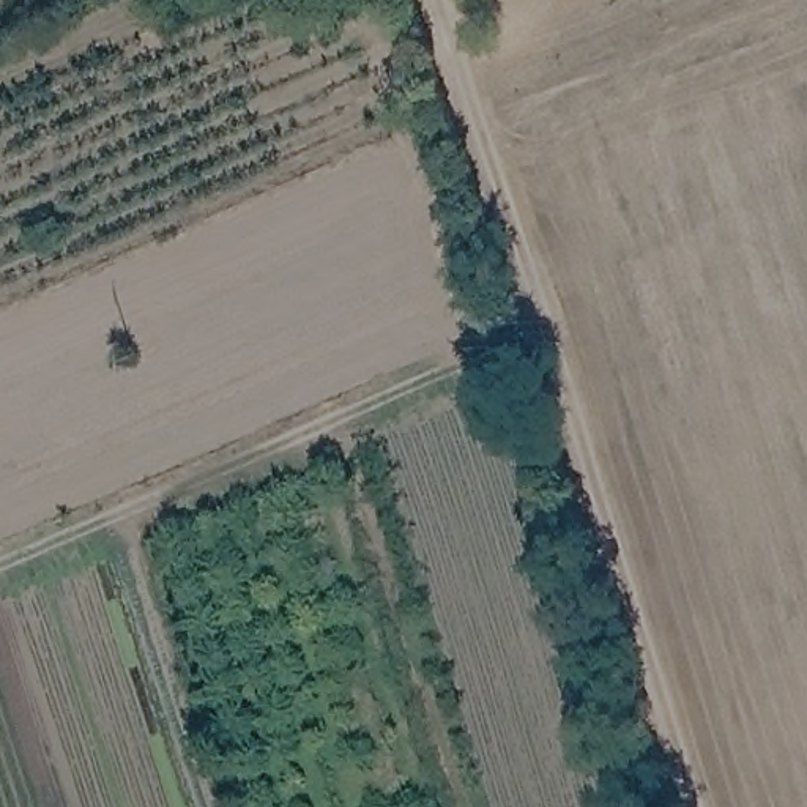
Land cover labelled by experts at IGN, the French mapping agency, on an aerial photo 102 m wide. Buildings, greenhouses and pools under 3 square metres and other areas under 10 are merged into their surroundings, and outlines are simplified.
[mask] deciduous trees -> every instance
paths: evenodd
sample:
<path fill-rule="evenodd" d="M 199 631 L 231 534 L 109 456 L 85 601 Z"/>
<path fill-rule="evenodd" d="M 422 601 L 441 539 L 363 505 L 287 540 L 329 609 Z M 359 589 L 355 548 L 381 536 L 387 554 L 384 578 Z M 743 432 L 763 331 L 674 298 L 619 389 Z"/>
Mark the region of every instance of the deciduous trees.
<path fill-rule="evenodd" d="M 252 180 L 277 164 L 277 151 L 268 151 L 252 164 L 243 164 L 211 180 L 205 180 L 202 170 L 227 158 L 240 158 L 265 142 L 277 142 L 281 126 L 271 126 L 202 161 L 180 164 L 158 180 L 129 186 L 120 195 L 98 202 L 82 214 L 69 214 L 66 224 L 41 221 L 35 227 L 22 227 L 16 243 L 6 243 L 6 252 L 35 252 L 35 265 L 44 268 L 41 258 L 73 258 L 167 211 L 189 208 L 195 199 Z M 173 199 L 142 208 L 113 224 L 104 224 L 95 233 L 85 233 L 63 246 L 63 233 L 69 230 L 69 224 L 85 224 L 95 214 L 107 214 L 117 205 L 145 199 L 148 192 L 161 192 L 167 186 L 177 186 Z"/>
<path fill-rule="evenodd" d="M 246 98 L 243 88 L 233 88 L 208 101 L 205 107 L 170 117 L 151 129 L 132 132 L 132 145 L 161 139 L 189 123 L 202 123 L 224 107 L 236 107 L 236 101 Z"/>
<path fill-rule="evenodd" d="M 117 366 L 136 366 L 139 347 L 132 334 L 110 331 L 110 356 L 117 359 Z"/>
<path fill-rule="evenodd" d="M 359 9 L 366 9 L 378 25 L 388 25 L 394 32 L 391 50 L 385 57 L 385 95 L 369 107 L 375 113 L 372 123 L 381 126 L 388 139 L 394 139 L 397 132 L 410 132 L 419 151 L 419 167 L 435 192 L 429 211 L 441 230 L 444 284 L 451 290 L 451 303 L 454 309 L 460 309 L 460 322 L 479 331 L 479 347 L 485 350 L 473 359 L 470 369 L 460 369 L 460 378 L 457 407 L 467 419 L 467 432 L 476 441 L 482 441 L 489 454 L 511 457 L 517 467 L 514 517 L 523 526 L 523 552 L 517 558 L 517 571 L 526 574 L 530 589 L 539 599 L 533 621 L 555 646 L 552 668 L 561 687 L 564 763 L 574 772 L 589 769 L 599 775 L 596 788 L 580 791 L 583 807 L 697 807 L 694 801 L 678 794 L 678 772 L 684 769 L 681 753 L 662 744 L 659 731 L 649 722 L 643 659 L 634 634 L 637 618 L 630 608 L 630 596 L 621 589 L 618 574 L 612 571 L 615 564 L 599 549 L 593 530 L 599 523 L 589 511 L 583 479 L 571 467 L 571 454 L 564 448 L 561 381 L 558 337 L 539 347 L 526 331 L 520 331 L 520 322 L 514 318 L 514 227 L 501 218 L 498 199 L 485 199 L 479 189 L 479 170 L 467 148 L 467 123 L 451 107 L 444 76 L 435 63 L 432 25 L 422 13 L 426 0 L 142 0 L 136 6 L 145 16 L 139 22 L 142 35 L 154 28 L 164 38 L 192 22 L 214 19 L 224 9 L 233 28 L 243 28 L 246 22 L 258 19 L 268 22 L 262 35 L 252 32 L 246 38 L 230 41 L 227 54 L 252 50 L 258 41 L 290 38 L 293 57 L 309 54 L 309 32 L 318 32 L 318 44 L 325 47 L 340 35 L 347 19 L 356 19 Z"/>
<path fill-rule="evenodd" d="M 353 659 L 356 646 L 366 643 L 366 634 L 378 627 L 375 605 L 366 586 L 378 580 L 378 561 L 369 552 L 363 520 L 356 517 L 350 489 L 353 473 L 366 476 L 366 498 L 375 508 L 385 545 L 394 561 L 394 574 L 400 583 L 397 605 L 410 615 L 410 608 L 429 602 L 429 567 L 413 558 L 407 533 L 413 530 L 413 523 L 404 520 L 397 511 L 397 460 L 388 457 L 385 438 L 366 438 L 356 444 L 350 454 L 344 454 L 334 438 L 318 438 L 309 448 L 290 451 L 277 467 L 271 467 L 255 482 L 233 482 L 224 495 L 218 495 L 224 508 L 205 511 L 192 520 L 167 520 L 154 536 L 142 536 L 142 542 L 142 552 L 148 555 L 148 586 L 173 640 L 177 678 L 186 687 L 186 753 L 199 760 L 195 775 L 205 775 L 211 782 L 214 807 L 312 807 L 309 794 L 281 798 L 277 785 L 284 785 L 290 775 L 306 772 L 299 763 L 303 734 L 322 728 L 322 719 L 315 716 L 325 706 L 356 706 L 350 697 L 353 671 L 347 662 Z M 353 561 L 359 564 L 356 580 L 347 574 L 334 577 L 331 583 L 318 580 L 318 564 L 337 558 L 340 549 L 315 545 L 312 530 L 303 526 L 306 511 L 315 508 L 344 508 L 353 539 Z"/>
<path fill-rule="evenodd" d="M 6 154 L 28 148 L 41 136 L 54 136 L 57 129 L 82 123 L 110 104 L 164 88 L 173 79 L 205 69 L 205 57 L 199 57 L 164 69 L 161 76 L 107 91 L 76 110 L 60 113 L 50 123 L 35 123 L 32 129 L 6 142 Z"/>
<path fill-rule="evenodd" d="M 340 731 L 340 738 L 350 744 L 350 753 L 378 753 L 375 738 L 366 728 L 356 728 Z"/>
<path fill-rule="evenodd" d="M 177 44 L 136 54 L 129 63 L 120 66 L 120 76 L 195 47 L 192 38 L 183 38 Z"/>
<path fill-rule="evenodd" d="M 240 126 L 255 123 L 258 113 L 252 110 L 132 161 L 129 173 L 158 167 L 170 154 L 199 148 L 211 139 L 236 132 Z"/>
<path fill-rule="evenodd" d="M 47 170 L 35 177 L 28 186 L 0 195 L 0 208 L 28 199 L 85 167 L 95 167 L 95 158 L 88 154 L 66 167 Z"/>
<path fill-rule="evenodd" d="M 57 104 L 57 95 L 50 88 L 54 79 L 73 76 L 76 69 L 107 66 L 120 54 L 120 47 L 91 44 L 88 50 L 69 57 L 63 66 L 35 66 L 25 79 L 0 85 L 0 132 L 25 120 L 28 113 L 41 113 Z"/>
<path fill-rule="evenodd" d="M 504 0 L 457 0 L 463 9 L 457 22 L 457 44 L 470 54 L 495 47 L 498 6 Z"/>
<path fill-rule="evenodd" d="M 79 19 L 98 0 L 47 0 L 35 16 L 19 19 L 9 28 L 0 28 L 0 66 L 19 60 L 28 50 L 50 50 L 66 32 L 79 25 Z"/>
<path fill-rule="evenodd" d="M 441 791 L 438 785 L 404 782 L 394 791 L 366 785 L 356 807 L 454 807 L 451 788 Z"/>

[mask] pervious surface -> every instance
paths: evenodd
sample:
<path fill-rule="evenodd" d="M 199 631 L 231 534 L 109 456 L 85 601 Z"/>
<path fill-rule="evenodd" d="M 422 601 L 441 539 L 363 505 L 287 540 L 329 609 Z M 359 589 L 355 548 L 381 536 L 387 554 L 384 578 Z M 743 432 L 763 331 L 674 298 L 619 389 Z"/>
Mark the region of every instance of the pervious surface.
<path fill-rule="evenodd" d="M 161 511 L 164 498 L 195 473 L 236 463 L 240 457 L 258 451 L 268 451 L 277 460 L 277 467 L 290 451 L 309 448 L 318 438 L 334 438 L 344 454 L 350 454 L 356 444 L 356 419 L 375 413 L 378 407 L 397 397 L 413 394 L 416 388 L 429 388 L 432 381 L 460 378 L 460 369 L 470 369 L 473 359 L 485 350 L 479 347 L 479 331 L 460 322 L 460 309 L 454 309 L 451 303 L 438 312 L 432 325 L 422 328 L 422 337 L 429 340 L 422 347 L 426 359 L 397 366 L 391 372 L 378 372 L 369 381 L 359 381 L 347 391 L 334 391 L 322 400 L 312 400 L 309 407 L 277 416 L 249 435 L 221 441 L 218 448 L 183 457 L 167 470 L 123 482 L 95 501 L 73 508 L 60 504 L 50 517 L 28 526 L 28 536 L 16 536 L 6 545 L 0 542 L 0 577 L 69 542 L 88 539 L 101 530 L 113 530 L 126 549 L 142 542 L 142 536 L 145 523 Z"/>
<path fill-rule="evenodd" d="M 580 375 L 567 372 L 561 381 L 564 448 L 571 454 L 571 467 L 583 479 L 589 511 L 599 523 L 593 530 L 599 549 L 615 564 L 612 571 L 618 574 L 621 589 L 630 596 L 630 608 L 637 618 L 634 634 L 643 659 L 649 722 L 659 731 L 662 744 L 681 753 L 684 769 L 678 772 L 678 794 L 694 801 L 697 807 L 722 807 L 728 804 L 728 791 L 722 785 L 722 775 L 709 782 L 706 775 L 687 719 L 687 706 L 675 681 L 675 662 L 665 643 L 659 605 L 653 602 L 653 593 L 643 596 L 637 577 L 637 533 L 630 520 L 621 517 L 608 479 L 602 473 L 602 460 L 596 454 L 596 438 L 580 394 Z"/>
<path fill-rule="evenodd" d="M 444 76 L 451 107 L 467 123 L 467 148 L 479 170 L 479 189 L 485 199 L 498 199 L 501 218 L 514 227 L 514 318 L 520 322 L 520 331 L 526 331 L 539 347 L 558 337 L 552 322 L 564 315 L 564 309 L 555 296 L 549 265 L 533 246 L 536 221 L 530 224 L 523 218 L 514 186 L 508 180 L 508 164 L 498 151 L 501 123 L 492 104 L 476 88 L 470 54 L 457 44 L 457 22 L 463 9 L 457 0 L 426 0 L 422 13 L 432 25 L 435 63 Z"/>

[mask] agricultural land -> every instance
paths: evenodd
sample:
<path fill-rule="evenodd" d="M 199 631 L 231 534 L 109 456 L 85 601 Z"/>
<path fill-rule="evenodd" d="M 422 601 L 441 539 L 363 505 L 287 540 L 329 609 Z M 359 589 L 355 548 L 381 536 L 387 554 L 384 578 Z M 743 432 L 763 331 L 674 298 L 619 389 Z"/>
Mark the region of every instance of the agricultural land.
<path fill-rule="evenodd" d="M 177 678 L 173 684 L 167 684 L 164 678 L 161 656 L 136 589 L 126 549 L 113 530 L 101 530 L 88 539 L 69 542 L 0 577 L 0 807 L 214 807 L 211 782 L 205 775 L 195 775 L 199 760 L 186 753 L 186 687 Z"/>
<path fill-rule="evenodd" d="M 322 400 L 334 391 L 347 391 L 359 381 L 369 381 L 378 372 L 391 372 L 397 366 L 426 359 L 422 347 L 429 340 L 422 337 L 422 328 L 432 325 L 438 312 L 451 303 L 451 290 L 444 284 L 441 230 L 429 211 L 435 192 L 419 167 L 419 151 L 410 132 L 397 132 L 394 139 L 388 139 L 381 145 L 369 145 L 340 158 L 334 167 L 315 170 L 290 186 L 281 186 L 208 221 L 199 221 L 167 243 L 142 246 L 95 274 L 82 274 L 69 284 L 54 284 L 38 296 L 13 303 L 0 312 L 0 542 L 6 545 L 16 536 L 28 536 L 28 526 L 50 517 L 60 504 L 73 508 L 95 501 L 123 482 L 167 470 L 183 457 L 218 448 L 221 441 L 249 435 L 277 416 L 309 407 L 312 400 Z M 136 366 L 117 366 L 117 359 L 110 356 L 110 331 L 132 334 L 139 347 Z"/>
<path fill-rule="evenodd" d="M 722 775 L 722 785 L 728 791 L 728 804 L 722 807 L 807 807 L 807 0 L 504 0 L 498 6 L 495 47 L 470 54 L 476 88 L 492 104 L 501 123 L 498 151 L 508 164 L 508 180 L 514 186 L 523 218 L 530 224 L 536 221 L 533 246 L 549 265 L 555 296 L 564 309 L 564 315 L 552 322 L 558 337 L 561 381 L 567 372 L 580 375 L 580 394 L 596 438 L 596 454 L 602 460 L 602 473 L 608 479 L 621 517 L 630 520 L 637 533 L 637 577 L 643 596 L 653 593 L 653 602 L 659 605 L 665 643 L 675 662 L 675 681 L 687 706 L 687 719 L 706 775 L 709 782 Z"/>
<path fill-rule="evenodd" d="M 454 687 L 460 690 L 463 728 L 479 760 L 489 807 L 583 807 L 580 791 L 596 788 L 599 775 L 589 769 L 574 772 L 564 763 L 561 687 L 552 668 L 555 646 L 533 621 L 539 599 L 530 589 L 526 574 L 517 571 L 517 558 L 523 552 L 523 526 L 514 517 L 517 467 L 511 457 L 489 454 L 482 441 L 476 441 L 467 432 L 467 419 L 457 407 L 460 378 L 432 381 L 429 388 L 416 388 L 413 394 L 397 397 L 378 407 L 375 413 L 356 419 L 356 444 L 366 438 L 385 438 L 388 457 L 397 460 L 397 511 L 404 520 L 413 523 L 413 530 L 407 533 L 413 558 L 429 567 L 429 602 L 435 630 L 441 637 L 441 656 L 454 662 Z"/>

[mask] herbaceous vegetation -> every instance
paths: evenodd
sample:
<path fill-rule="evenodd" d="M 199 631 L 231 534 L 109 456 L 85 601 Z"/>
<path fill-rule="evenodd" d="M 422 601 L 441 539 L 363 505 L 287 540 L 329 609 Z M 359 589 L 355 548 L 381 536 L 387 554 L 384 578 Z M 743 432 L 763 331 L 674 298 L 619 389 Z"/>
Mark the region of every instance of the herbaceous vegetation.
<path fill-rule="evenodd" d="M 322 719 L 322 728 L 303 734 L 299 763 L 306 772 L 290 775 L 284 785 L 277 785 L 281 798 L 309 794 L 312 807 L 356 807 L 366 785 L 394 791 L 404 782 L 438 785 L 441 791 L 451 788 L 454 807 L 489 807 L 479 760 L 463 728 L 460 690 L 454 687 L 454 662 L 441 656 L 441 637 L 435 630 L 429 602 L 410 608 L 410 615 L 397 605 L 400 583 L 394 574 L 394 561 L 385 545 L 375 508 L 366 498 L 366 476 L 353 473 L 350 489 L 356 517 L 363 520 L 369 552 L 378 561 L 378 580 L 366 586 L 375 605 L 378 627 L 366 634 L 366 643 L 356 646 L 353 659 L 347 662 L 353 671 L 350 697 L 356 706 L 325 706 L 315 716 Z M 350 753 L 350 744 L 340 738 L 340 731 L 356 728 L 366 728 L 375 738 L 378 753 Z"/>
<path fill-rule="evenodd" d="M 318 580 L 331 583 L 334 577 L 347 574 L 356 580 L 359 564 L 353 561 L 353 539 L 344 508 L 315 508 L 306 511 L 303 526 L 312 530 L 315 545 L 340 549 L 337 558 L 318 564 Z"/>
<path fill-rule="evenodd" d="M 277 460 L 268 451 L 258 451 L 240 457 L 236 463 L 195 473 L 164 498 L 161 511 L 145 523 L 142 536 L 154 536 L 167 520 L 192 520 L 205 511 L 224 508 L 218 495 L 224 495 L 233 482 L 255 482 L 271 467 L 277 467 Z"/>
<path fill-rule="evenodd" d="M 177 678 L 173 640 L 148 586 L 148 555 L 142 552 L 142 542 L 126 549 L 136 589 L 161 656 L 164 678 L 167 684 L 173 684 Z"/>
<path fill-rule="evenodd" d="M 9 28 L 19 19 L 35 16 L 47 0 L 0 0 L 0 28 Z"/>
<path fill-rule="evenodd" d="M 69 224 L 69 230 L 63 233 L 63 246 L 85 233 L 95 233 L 104 224 L 113 224 L 142 208 L 173 199 L 177 186 L 167 186 L 161 192 L 148 192 L 145 199 L 117 205 L 107 214 L 95 214 L 85 224 Z"/>
<path fill-rule="evenodd" d="M 79 19 L 79 25 L 66 32 L 50 50 L 28 50 L 19 60 L 0 66 L 0 85 L 25 79 L 35 66 L 63 66 L 69 57 L 88 50 L 91 44 L 120 47 L 120 54 L 107 66 L 76 69 L 73 76 L 54 79 L 50 88 L 57 95 L 57 104 L 41 113 L 28 113 L 25 120 L 0 132 L 0 195 L 28 186 L 35 177 L 47 170 L 66 167 L 88 154 L 95 158 L 95 167 L 85 167 L 28 199 L 0 208 L 0 312 L 13 303 L 38 296 L 54 284 L 69 284 L 82 274 L 95 274 L 142 246 L 167 243 L 199 221 L 208 221 L 281 186 L 290 186 L 315 170 L 334 167 L 340 158 L 369 145 L 381 145 L 388 139 L 381 126 L 372 123 L 375 113 L 369 107 L 385 95 L 385 57 L 391 50 L 394 32 L 388 25 L 378 25 L 366 9 L 359 9 L 356 19 L 347 19 L 340 35 L 325 47 L 318 44 L 318 32 L 309 32 L 309 54 L 293 57 L 290 38 L 258 41 L 252 50 L 227 54 L 230 41 L 246 38 L 252 32 L 262 35 L 268 22 L 258 19 L 246 22 L 243 28 L 233 28 L 224 9 L 214 19 L 192 22 L 164 38 L 154 28 L 142 35 L 139 22 L 145 16 L 136 6 L 142 0 L 98 0 Z M 183 38 L 192 38 L 195 47 L 120 76 L 120 66 L 129 63 L 136 54 L 177 44 Z M 6 142 L 32 129 L 35 123 L 50 123 L 60 113 L 76 110 L 107 91 L 161 76 L 164 69 L 199 57 L 205 57 L 205 69 L 173 79 L 164 88 L 110 104 L 82 123 L 57 129 L 54 136 L 41 136 L 28 148 L 6 154 Z M 202 123 L 189 123 L 161 139 L 132 145 L 132 132 L 151 129 L 170 117 L 205 107 L 208 101 L 233 88 L 243 88 L 246 98 L 236 101 L 236 107 L 224 107 Z M 236 132 L 211 139 L 199 148 L 170 154 L 158 167 L 129 173 L 132 161 L 252 110 L 258 113 L 255 123 L 240 126 Z M 129 186 L 158 180 L 180 164 L 202 161 L 271 126 L 281 126 L 277 142 L 265 142 L 240 158 L 227 158 L 202 170 L 205 180 L 211 180 L 243 164 L 252 164 L 268 151 L 277 151 L 277 164 L 252 180 L 195 199 L 189 208 L 167 211 L 73 258 L 41 258 L 44 268 L 35 265 L 35 252 L 6 252 L 6 243 L 16 243 L 22 227 L 35 227 L 41 221 L 66 224 L 69 214 L 82 214 L 98 202 L 120 195 Z"/>

